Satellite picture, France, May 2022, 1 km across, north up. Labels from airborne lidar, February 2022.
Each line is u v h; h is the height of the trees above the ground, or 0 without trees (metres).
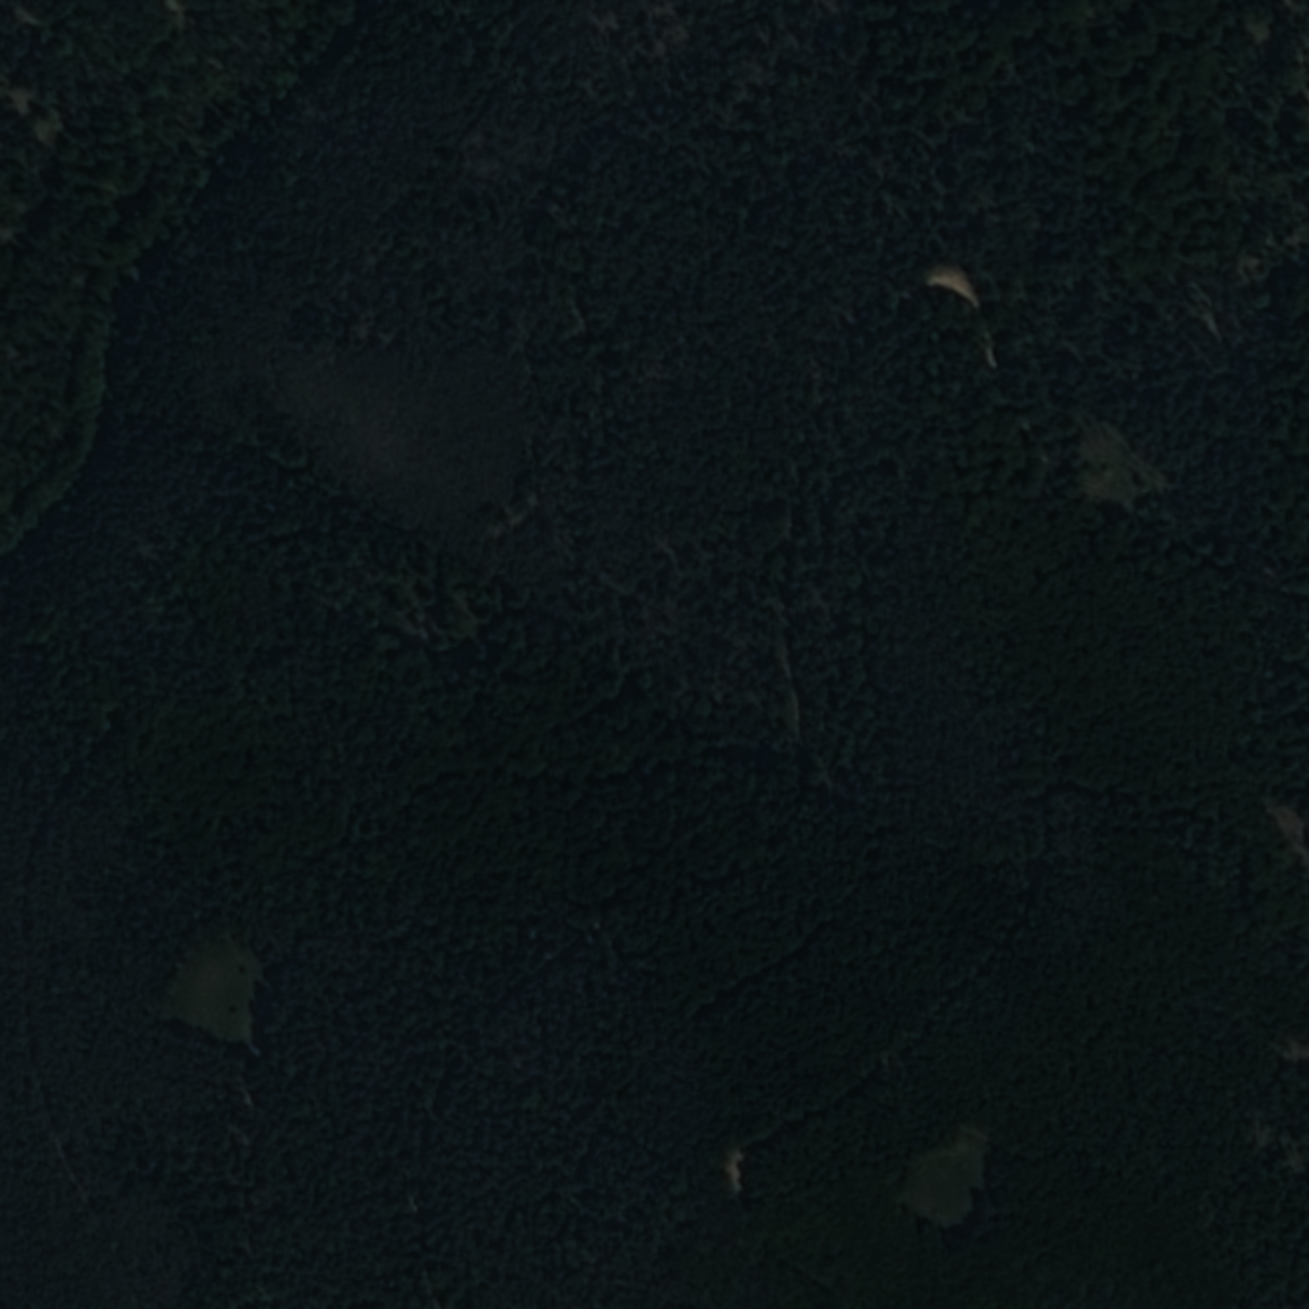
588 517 26
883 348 29
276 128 24
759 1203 24
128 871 23
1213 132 31
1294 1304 21
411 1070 28
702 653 9
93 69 32
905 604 24
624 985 21
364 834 26
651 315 25
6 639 31
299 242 20
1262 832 25
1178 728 24
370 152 24
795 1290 20
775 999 23
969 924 23
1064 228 30
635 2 10
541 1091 25
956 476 28
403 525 20
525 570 9
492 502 17
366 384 19
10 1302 23
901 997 22
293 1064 30
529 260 9
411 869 25
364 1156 27
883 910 26
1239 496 41
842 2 6
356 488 22
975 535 25
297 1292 23
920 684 24
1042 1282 13
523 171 12
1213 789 22
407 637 0
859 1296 15
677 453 26
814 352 26
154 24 30
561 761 31
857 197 26
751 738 12
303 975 26
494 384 18
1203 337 27
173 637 24
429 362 19
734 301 30
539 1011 29
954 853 24
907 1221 14
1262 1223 15
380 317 10
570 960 27
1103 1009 18
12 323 34
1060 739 22
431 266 8
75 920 27
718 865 25
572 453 9
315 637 28
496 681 33
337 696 23
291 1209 24
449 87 22
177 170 33
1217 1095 20
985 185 13
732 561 28
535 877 27
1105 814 23
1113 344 30
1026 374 26
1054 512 27
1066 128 36
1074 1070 19
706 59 9
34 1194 19
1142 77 22
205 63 36
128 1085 25
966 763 26
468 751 28
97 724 25
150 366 25
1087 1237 16
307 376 17
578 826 27
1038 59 35
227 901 26
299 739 23
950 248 20
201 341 20
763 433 27
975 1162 0
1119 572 22
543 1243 20
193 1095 25
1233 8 37
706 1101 25
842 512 27
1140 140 27
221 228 25
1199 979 19
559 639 35
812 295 29
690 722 16
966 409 27
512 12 8
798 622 25
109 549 31
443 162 16
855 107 11
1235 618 26
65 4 20
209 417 24
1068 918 15
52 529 33
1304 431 31
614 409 23
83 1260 18
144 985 23
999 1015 17
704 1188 19
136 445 32
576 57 8
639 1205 21
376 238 13
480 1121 26
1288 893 26
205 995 0
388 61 28
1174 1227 17
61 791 24
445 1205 27
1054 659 25
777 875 24
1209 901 12
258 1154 29
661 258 27
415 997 27
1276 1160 17
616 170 27
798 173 18
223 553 25
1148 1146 20
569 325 11
